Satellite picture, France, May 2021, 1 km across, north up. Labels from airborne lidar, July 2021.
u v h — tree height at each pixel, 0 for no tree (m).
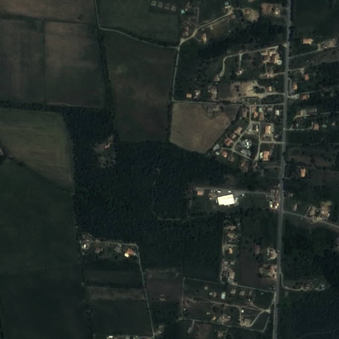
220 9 0
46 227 0
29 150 0
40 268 0
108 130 7
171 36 0
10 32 0
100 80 0
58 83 0
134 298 0
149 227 13
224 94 0
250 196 7
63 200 0
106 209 14
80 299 0
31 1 0
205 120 0
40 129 0
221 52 9
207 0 0
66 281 0
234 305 0
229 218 7
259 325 0
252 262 0
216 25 0
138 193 8
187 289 0
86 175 14
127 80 0
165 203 6
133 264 7
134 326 0
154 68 0
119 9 0
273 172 0
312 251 10
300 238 12
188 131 0
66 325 0
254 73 0
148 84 0
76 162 11
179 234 18
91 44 0
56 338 0
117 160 14
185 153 8
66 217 0
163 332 12
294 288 6
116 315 0
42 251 0
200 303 0
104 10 0
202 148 0
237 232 11
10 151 0
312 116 11
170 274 0
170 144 8
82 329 0
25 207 0
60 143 0
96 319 0
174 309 0
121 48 0
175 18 0
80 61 0
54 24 0
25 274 0
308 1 0
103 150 0
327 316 9
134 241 10
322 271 12
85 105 0
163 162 17
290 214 0
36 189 0
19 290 0
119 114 0
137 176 10
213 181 14
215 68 0
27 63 0
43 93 0
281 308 9
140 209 8
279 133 6
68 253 0
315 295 10
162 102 0
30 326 0
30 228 0
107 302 0
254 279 0
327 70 8
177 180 8
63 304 0
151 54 0
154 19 0
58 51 0
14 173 0
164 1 0
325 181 6
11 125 0
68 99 0
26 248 0
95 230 8
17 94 0
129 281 0
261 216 0
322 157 9
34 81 0
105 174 10
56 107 8
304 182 6
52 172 0
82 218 11
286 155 14
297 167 13
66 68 0
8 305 0
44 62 0
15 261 0
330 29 0
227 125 0
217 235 11
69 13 0
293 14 17
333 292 11
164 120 0
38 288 0
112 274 0
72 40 0
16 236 0
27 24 0
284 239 11
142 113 0
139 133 0
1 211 0
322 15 0
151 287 0
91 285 9
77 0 0
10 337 0
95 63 0
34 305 0
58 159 0
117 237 10
